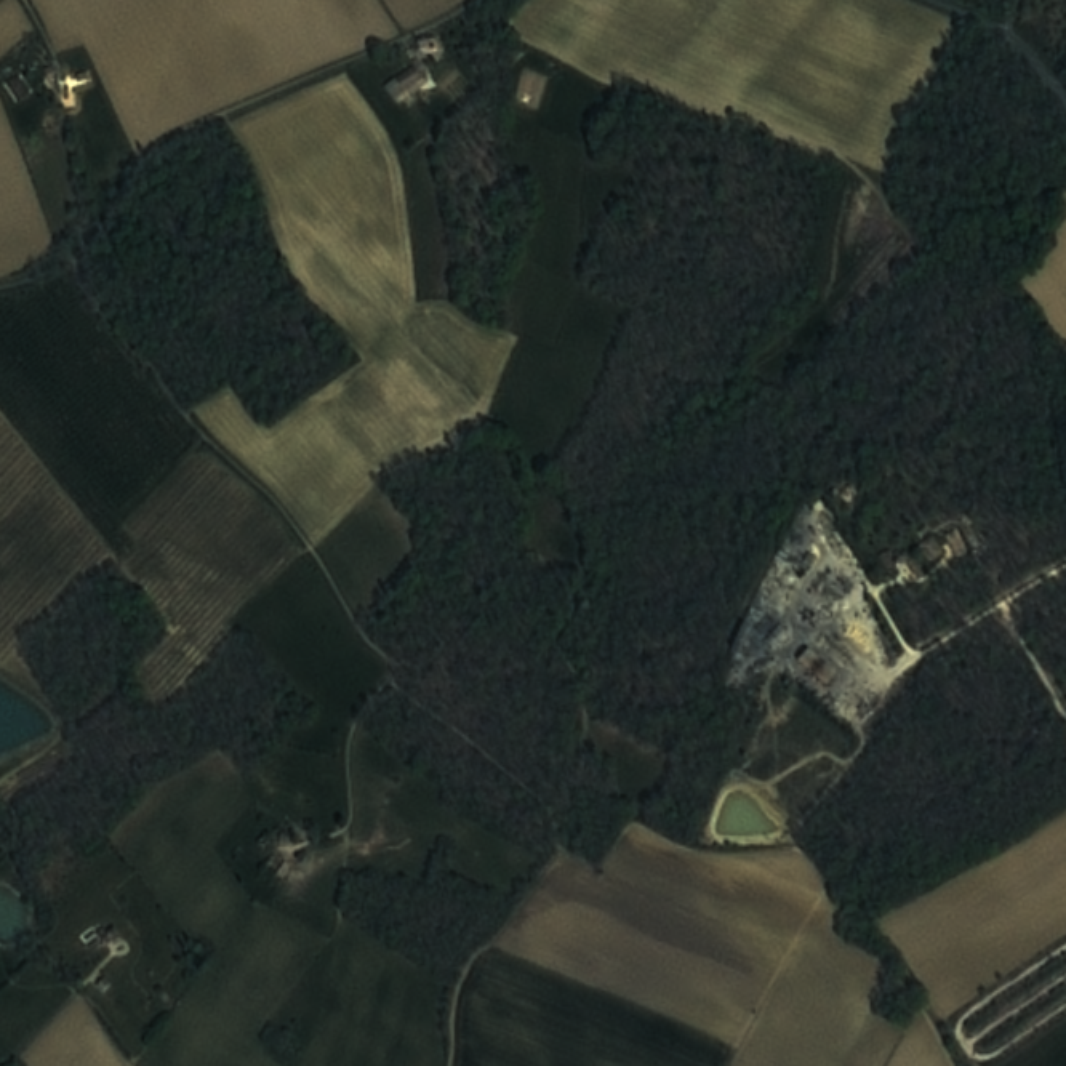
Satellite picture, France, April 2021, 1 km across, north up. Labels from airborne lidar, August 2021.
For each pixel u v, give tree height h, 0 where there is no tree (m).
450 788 19
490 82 18
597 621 19
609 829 16
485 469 21
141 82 0
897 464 16
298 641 0
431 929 9
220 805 0
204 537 0
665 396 10
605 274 17
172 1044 0
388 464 0
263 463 0
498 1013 0
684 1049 0
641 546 18
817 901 0
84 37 0
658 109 15
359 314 0
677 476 15
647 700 18
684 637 14
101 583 15
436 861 12
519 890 12
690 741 14
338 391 0
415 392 0
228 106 0
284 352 20
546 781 14
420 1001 0
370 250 0
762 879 0
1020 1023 8
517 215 24
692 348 14
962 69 20
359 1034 0
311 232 0
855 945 16
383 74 0
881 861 21
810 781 0
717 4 0
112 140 0
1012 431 15
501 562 21
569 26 0
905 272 21
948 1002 0
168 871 0
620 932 0
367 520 0
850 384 17
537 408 0
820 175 20
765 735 0
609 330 0
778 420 20
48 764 0
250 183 21
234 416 0
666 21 0
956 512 8
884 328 13
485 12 18
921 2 0
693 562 16
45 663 19
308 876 0
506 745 15
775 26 0
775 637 0
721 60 0
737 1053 0
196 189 26
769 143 18
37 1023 0
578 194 0
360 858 0
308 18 0
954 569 15
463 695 10
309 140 0
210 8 0
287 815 0
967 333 15
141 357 14
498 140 19
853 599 0
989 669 15
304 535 0
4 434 0
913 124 21
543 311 0
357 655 0
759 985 0
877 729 10
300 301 21
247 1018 0
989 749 11
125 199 22
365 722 19
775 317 23
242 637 15
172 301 15
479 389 0
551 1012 0
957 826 11
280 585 0
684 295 13
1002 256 20
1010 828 13
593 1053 0
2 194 0
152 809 0
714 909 0
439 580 20
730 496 16
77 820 18
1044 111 15
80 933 0
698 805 14
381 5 0
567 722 21
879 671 0
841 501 18
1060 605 16
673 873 0
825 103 0
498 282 22
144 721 17
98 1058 0
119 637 17
